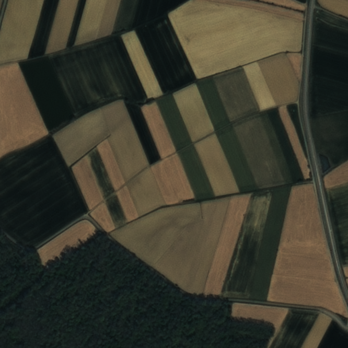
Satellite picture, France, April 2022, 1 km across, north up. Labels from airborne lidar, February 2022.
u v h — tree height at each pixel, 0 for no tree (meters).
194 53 0
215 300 25
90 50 0
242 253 0
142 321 27
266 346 20
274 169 0
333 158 0
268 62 0
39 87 0
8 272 33
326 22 0
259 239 0
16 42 0
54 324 35
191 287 0
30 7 0
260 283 0
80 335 32
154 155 0
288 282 0
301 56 0
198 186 0
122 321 34
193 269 0
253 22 0
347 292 0
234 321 23
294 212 0
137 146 0
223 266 0
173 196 0
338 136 0
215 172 0
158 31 0
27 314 33
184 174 0
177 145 0
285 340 0
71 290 27
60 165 0
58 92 0
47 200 0
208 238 0
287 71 0
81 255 30
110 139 0
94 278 34
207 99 0
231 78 0
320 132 0
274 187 0
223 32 0
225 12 0
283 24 0
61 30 0
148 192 0
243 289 0
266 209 0
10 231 0
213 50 0
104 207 0
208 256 0
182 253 0
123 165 0
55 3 0
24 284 36
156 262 0
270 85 0
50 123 0
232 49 0
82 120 0
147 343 34
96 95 0
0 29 0
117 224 0
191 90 0
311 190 0
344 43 0
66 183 0
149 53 0
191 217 0
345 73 0
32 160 0
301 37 0
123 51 0
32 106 0
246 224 0
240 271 0
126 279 30
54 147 0
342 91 0
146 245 0
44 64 0
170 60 0
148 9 0
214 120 0
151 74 0
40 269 18
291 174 0
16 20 0
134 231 0
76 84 0
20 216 0
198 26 0
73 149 0
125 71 0
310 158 0
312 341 0
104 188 0
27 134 0
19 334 31
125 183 0
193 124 0
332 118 0
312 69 0
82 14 0
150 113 0
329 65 0
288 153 0
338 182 0
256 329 27
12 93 0
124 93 0
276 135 0
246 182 0
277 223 0
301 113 0
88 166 0
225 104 0
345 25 0
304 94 0
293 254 0
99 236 27
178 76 0
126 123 0
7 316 32
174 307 25
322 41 0
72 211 0
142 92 0
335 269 0
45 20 0
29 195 0
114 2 0
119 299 33
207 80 0
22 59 0
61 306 34
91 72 0
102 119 0
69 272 26
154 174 0
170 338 34
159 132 0
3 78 0
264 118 0
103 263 31
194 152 0
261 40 0
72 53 0
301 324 0
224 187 0
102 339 31
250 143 0
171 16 0
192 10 0
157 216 0
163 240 0
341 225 0
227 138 0
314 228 0
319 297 0
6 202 0
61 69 0
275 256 0
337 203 0
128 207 0
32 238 0
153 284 18
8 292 28
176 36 0
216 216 0
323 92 0
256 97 0
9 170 0
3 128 0
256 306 0
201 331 28
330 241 0
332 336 0
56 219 0
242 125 0
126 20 0
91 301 30
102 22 0
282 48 0
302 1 0
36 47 0
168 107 0
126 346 22
